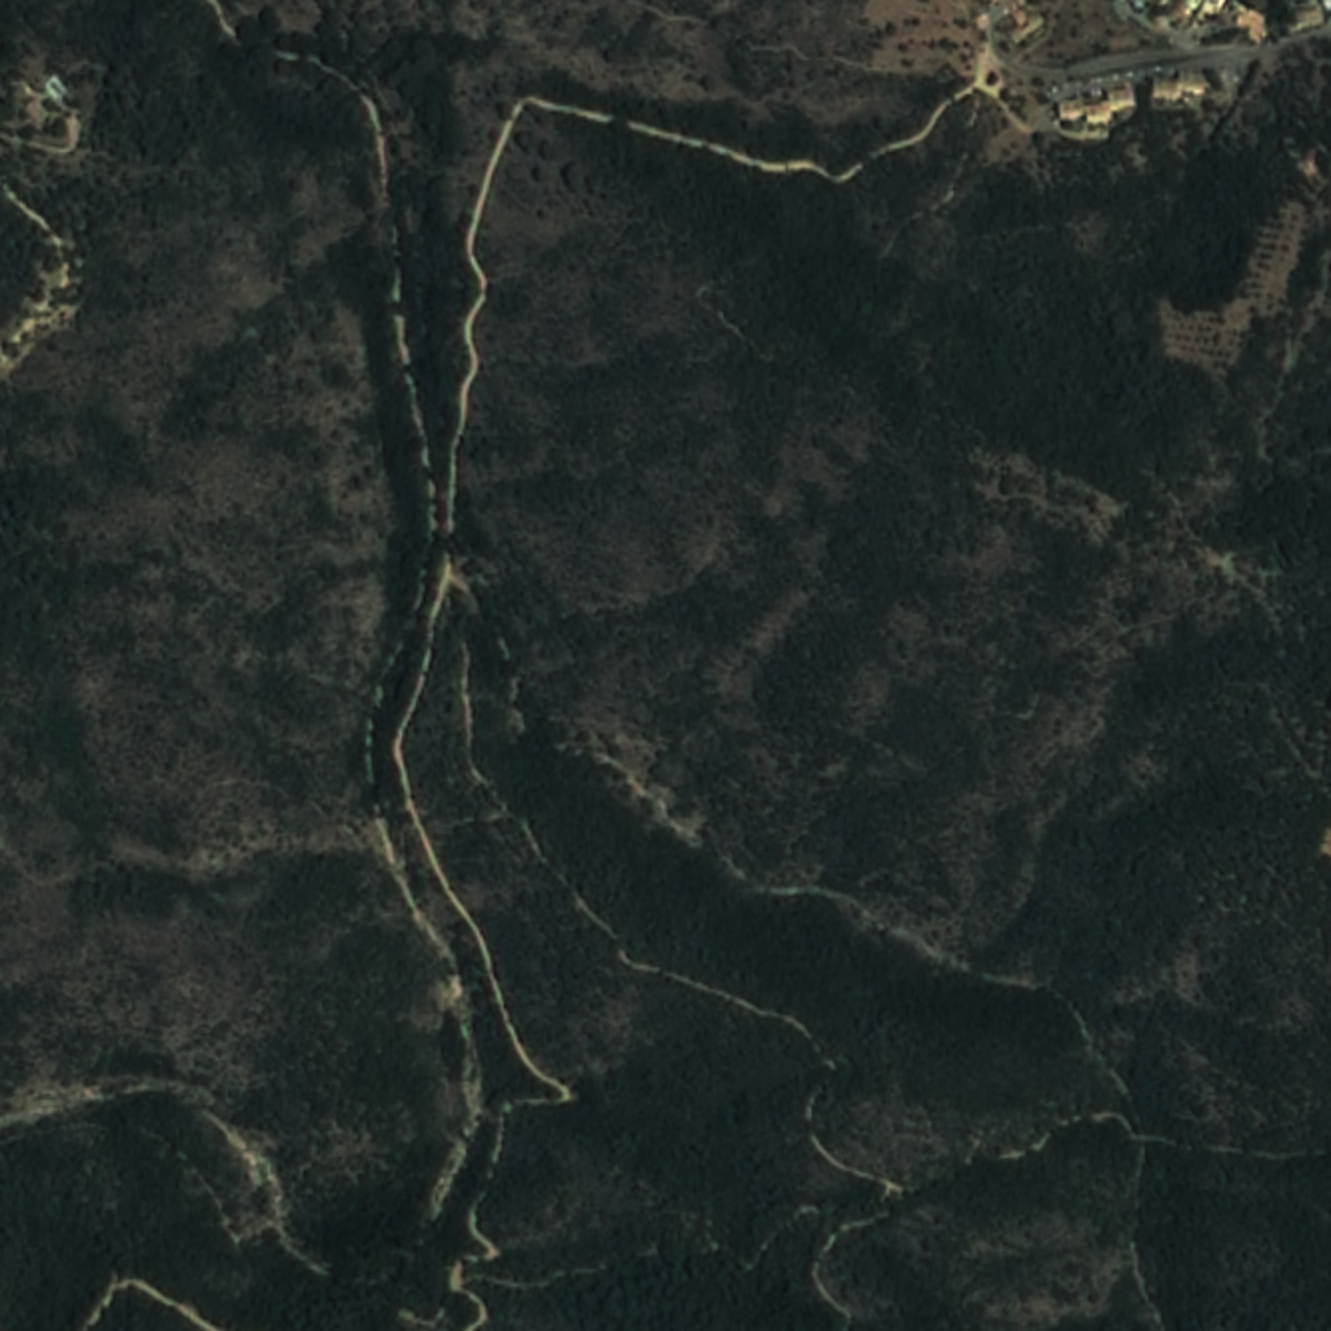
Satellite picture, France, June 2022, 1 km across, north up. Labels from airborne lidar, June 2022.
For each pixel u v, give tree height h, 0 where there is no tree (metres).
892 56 0
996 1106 8
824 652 7
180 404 6
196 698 6
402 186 6
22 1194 7
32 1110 0
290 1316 20
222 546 7
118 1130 9
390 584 6
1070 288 5
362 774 9
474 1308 8
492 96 8
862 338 7
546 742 7
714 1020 6
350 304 6
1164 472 10
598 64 0
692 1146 6
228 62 8
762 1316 16
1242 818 9
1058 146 7
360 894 7
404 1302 10
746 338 5
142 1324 7
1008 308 10
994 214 6
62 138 10
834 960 14
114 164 7
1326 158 8
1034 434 7
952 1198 7
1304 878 8
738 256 7
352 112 8
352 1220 8
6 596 6
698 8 5
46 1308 8
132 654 6
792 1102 7
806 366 6
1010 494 9
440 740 8
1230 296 13
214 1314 7
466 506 6
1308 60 6
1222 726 7
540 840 7
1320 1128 7
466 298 7
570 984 7
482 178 0
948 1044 12
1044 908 6
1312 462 6
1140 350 7
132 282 8
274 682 8
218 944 6
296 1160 9
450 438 9
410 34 8
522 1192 6
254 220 8
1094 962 9
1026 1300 6
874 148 6
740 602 6
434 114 15
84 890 13
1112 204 8
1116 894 8
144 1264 9
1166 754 7
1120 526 8
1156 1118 8
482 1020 6
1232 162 8
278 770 6
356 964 7
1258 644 8
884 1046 16
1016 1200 8
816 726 6
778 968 9
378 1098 9
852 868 7
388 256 10
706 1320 10
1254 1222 6
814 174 8
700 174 7
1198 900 7
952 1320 8
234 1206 6
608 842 6
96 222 11
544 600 7
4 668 6
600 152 7
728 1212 8
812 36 0
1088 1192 8
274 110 9
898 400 7
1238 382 8
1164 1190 8
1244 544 7
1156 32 0
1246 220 8
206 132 8
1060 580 6
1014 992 8
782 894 7
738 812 7
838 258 6
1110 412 7
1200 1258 11
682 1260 14
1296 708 12
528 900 7
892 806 6
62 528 9
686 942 7
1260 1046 11
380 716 10
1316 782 7
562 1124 8
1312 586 12
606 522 6
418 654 11
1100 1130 8
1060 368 8
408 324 6
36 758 8
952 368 7
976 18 0
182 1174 6
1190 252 7
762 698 9
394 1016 9
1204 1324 8
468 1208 7
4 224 11
